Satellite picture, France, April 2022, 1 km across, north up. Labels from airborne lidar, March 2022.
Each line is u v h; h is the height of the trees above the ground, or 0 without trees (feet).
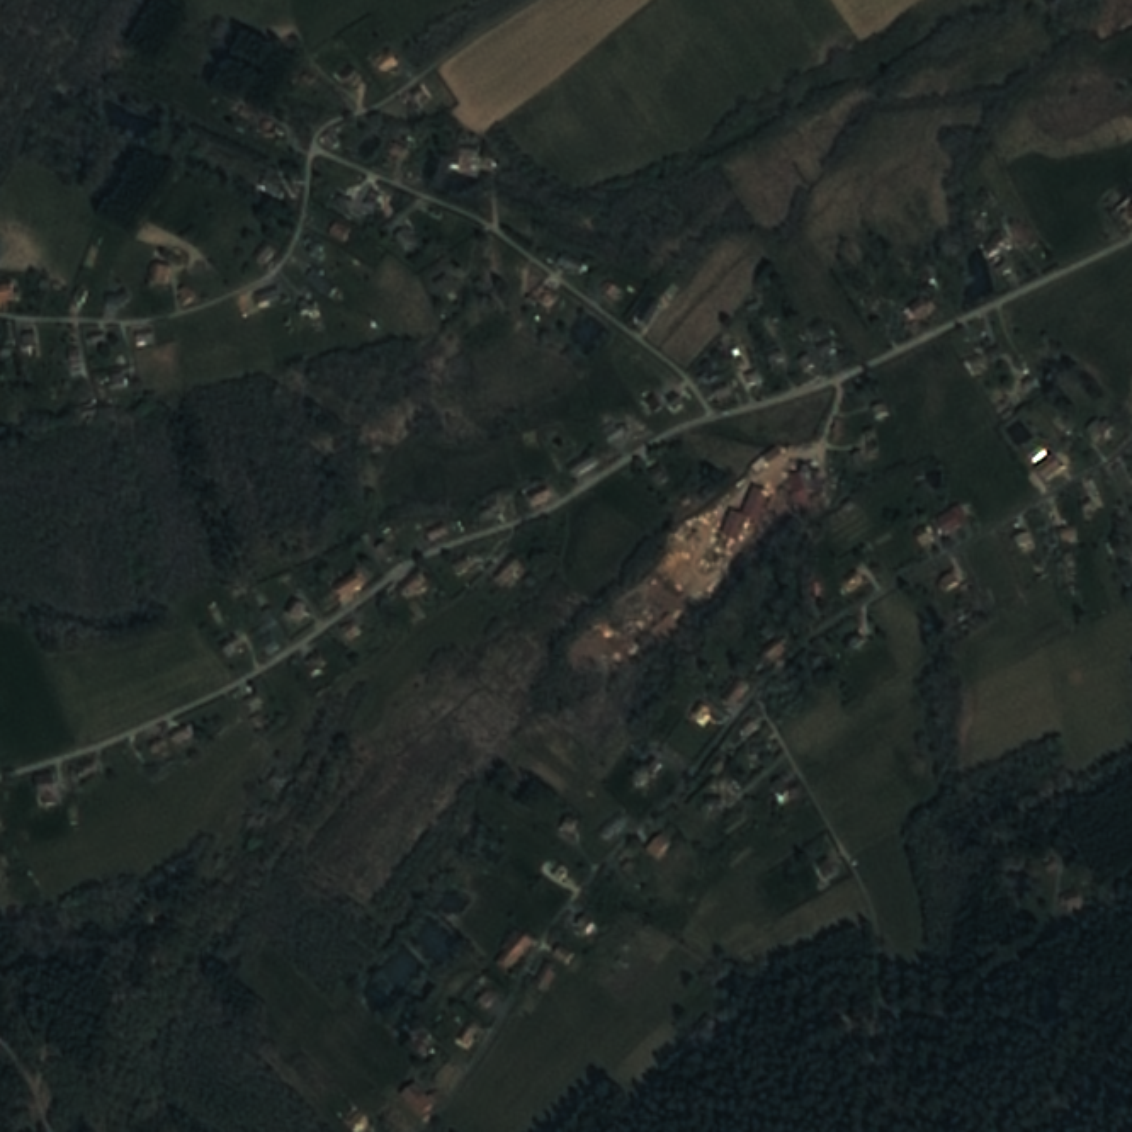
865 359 0
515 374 0
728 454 0
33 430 57
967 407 0
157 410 44
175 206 0
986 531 0
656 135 0
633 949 0
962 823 56
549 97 0
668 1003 0
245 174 0
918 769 0
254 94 69
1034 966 69
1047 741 25
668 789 0
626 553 0
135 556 34
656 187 31
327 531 74
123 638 73
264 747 0
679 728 0
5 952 98
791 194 0
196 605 0
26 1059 42
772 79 0
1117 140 0
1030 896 52
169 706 0
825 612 47
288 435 63
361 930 41
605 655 0
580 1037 0
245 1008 85
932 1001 58
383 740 0
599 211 62
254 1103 61
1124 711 0
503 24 0
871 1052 83
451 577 0
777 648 0
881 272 52
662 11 0
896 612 0
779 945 0
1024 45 0
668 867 0
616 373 0
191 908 60
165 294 0
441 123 19
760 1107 110
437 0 0
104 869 0
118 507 49
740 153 31
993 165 0
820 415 0
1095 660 0
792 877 36
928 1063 99
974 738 0
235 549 44
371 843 0
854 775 0
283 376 0
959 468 0
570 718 0
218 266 37
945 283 25
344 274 0
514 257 0
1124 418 67
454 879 38
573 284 0
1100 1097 36
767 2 0
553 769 0
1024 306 0
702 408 0
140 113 24
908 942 0
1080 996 46
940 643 76
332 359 31
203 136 34
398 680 0
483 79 0
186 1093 62
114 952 87
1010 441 0
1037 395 0
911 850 38
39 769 0
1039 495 0
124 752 23
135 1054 41
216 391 32
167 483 51
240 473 33
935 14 0
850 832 0
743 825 0
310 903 20
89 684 0
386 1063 0
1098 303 0
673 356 0
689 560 0
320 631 0
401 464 0
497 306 46
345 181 0
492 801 0
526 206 33
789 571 84
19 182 0
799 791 23
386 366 66
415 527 0
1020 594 0
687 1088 73
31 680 0
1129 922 55
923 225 0
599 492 0
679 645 24
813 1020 94
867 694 0
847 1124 88
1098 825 58
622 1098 98
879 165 0
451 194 42
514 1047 0
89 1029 73
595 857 0
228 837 0
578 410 0
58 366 0
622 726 0
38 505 58
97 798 0
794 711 19
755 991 59
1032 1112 94
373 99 0
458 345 0
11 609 51
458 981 0
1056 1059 87
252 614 25
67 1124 48
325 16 0
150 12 63
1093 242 0
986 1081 91
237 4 0
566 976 0
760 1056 109
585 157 0
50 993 86
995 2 0
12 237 0
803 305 0
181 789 0
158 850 0
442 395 0
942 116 0
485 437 0
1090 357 0
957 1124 86
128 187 72
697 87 0
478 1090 0
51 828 0
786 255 0
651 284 30
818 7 0
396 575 0
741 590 52
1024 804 34
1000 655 0
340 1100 0
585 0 0
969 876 59
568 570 0
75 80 52
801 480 0
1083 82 0
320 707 0
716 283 0
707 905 0
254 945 71
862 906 0
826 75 20
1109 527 0
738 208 37
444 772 0
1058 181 0
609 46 0
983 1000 41
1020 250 0
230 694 0
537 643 0
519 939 0
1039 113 0
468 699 0
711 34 0
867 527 0
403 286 0
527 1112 0
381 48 0
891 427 0
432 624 0
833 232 0
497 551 0
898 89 53
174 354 0
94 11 42
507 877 0
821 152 0
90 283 0
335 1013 0
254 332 0
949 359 0
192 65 0
